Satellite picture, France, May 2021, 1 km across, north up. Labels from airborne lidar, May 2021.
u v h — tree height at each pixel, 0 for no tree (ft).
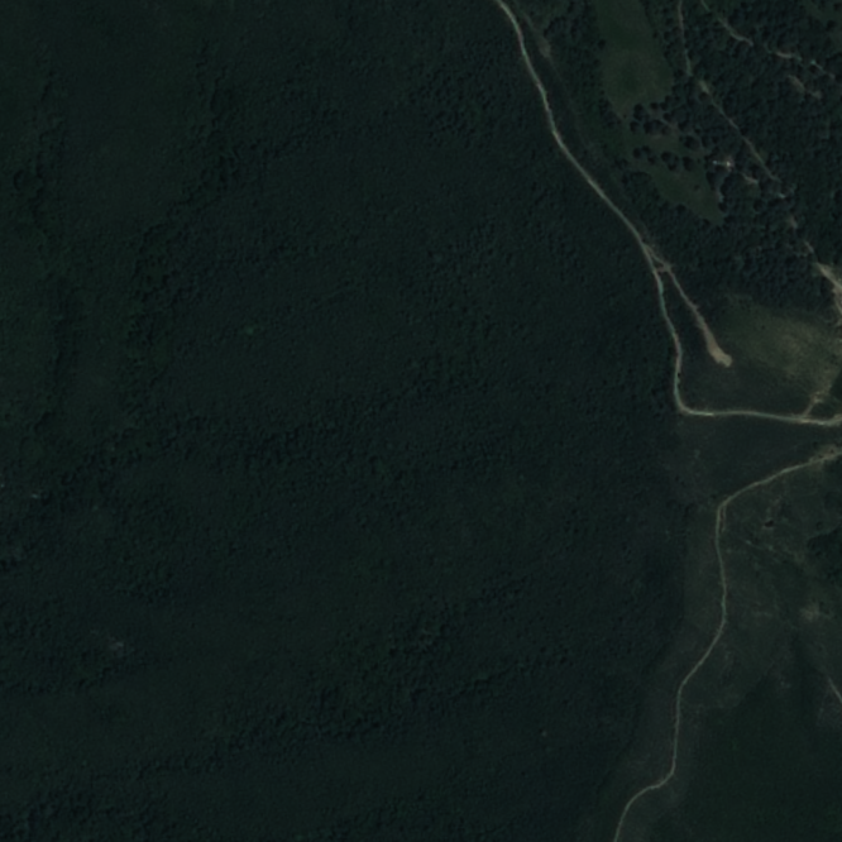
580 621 21
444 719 24
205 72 39
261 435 48
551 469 21
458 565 25
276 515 27
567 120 20
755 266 67
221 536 26
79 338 30
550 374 20
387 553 20
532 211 33
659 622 17
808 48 49
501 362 22
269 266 30
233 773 20
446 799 31
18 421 26
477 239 38
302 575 24
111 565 28
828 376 0
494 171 22
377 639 25
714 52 68
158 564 20
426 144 19
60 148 25
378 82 19
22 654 29
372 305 25
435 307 23
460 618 57
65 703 18
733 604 0
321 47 22
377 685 24
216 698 23
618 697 17
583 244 25
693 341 22
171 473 21
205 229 25
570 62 33
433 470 25
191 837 26
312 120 30
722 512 0
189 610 25
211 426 47
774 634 0
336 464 27
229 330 32
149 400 45
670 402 25
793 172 51
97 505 28
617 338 23
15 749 23
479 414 22
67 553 25
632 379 30
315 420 32
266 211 31
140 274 50
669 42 33
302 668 34
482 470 24
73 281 22
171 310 27
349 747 21
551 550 20
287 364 21
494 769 28
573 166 20
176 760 36
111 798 30
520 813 21
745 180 47
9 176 27
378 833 26
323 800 24
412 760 19
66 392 29
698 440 0
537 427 27
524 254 32
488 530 25
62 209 26
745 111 54
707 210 0
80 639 26
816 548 29
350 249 24
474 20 18
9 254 18
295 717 37
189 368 18
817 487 0
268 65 26
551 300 21
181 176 21
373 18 19
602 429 24
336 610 19
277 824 23
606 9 0
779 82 54
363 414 53
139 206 17
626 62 0
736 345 0
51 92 68
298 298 22
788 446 0
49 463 27
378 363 21
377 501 41
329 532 26
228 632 17
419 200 23
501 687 43
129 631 18
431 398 31
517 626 21
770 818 18
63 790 29
